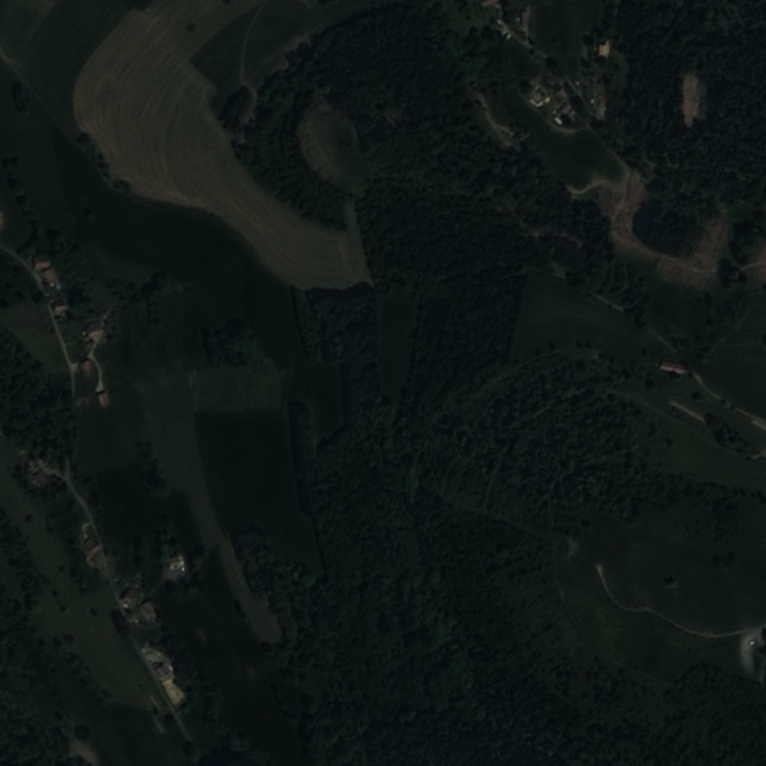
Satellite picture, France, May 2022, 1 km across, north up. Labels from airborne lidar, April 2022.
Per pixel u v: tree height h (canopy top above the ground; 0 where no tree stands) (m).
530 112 0
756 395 0
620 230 0
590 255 24
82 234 0
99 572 10
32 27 0
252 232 0
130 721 0
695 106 0
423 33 15
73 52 0
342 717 22
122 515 0
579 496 16
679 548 0
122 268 0
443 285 12
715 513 8
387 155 9
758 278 0
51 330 0
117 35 0
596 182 0
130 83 0
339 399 0
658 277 0
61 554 0
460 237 13
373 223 11
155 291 21
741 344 0
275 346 0
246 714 0
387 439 14
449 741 29
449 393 12
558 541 0
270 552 18
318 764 19
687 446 0
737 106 23
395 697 17
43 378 21
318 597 23
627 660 0
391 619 16
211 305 0
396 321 0
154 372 0
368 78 19
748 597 0
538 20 0
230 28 0
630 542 0
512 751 21
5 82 0
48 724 0
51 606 0
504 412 16
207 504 0
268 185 17
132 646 0
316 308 21
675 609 0
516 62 0
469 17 10
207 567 0
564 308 0
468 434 0
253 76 0
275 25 0
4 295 0
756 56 27
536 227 9
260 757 23
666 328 0
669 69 23
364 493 14
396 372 0
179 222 0
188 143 0
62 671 0
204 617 0
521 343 0
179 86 0
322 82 19
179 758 0
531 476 18
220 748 0
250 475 0
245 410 0
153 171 0
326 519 12
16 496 0
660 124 24
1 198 0
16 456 0
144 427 0
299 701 0
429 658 12
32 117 0
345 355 25
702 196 14
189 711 0
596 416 13
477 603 7
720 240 0
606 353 0
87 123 0
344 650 14
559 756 20
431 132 15
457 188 7
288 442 0
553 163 0
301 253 0
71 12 0
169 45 0
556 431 10
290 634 20
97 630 0
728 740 9
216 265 0
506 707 18
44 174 0
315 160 0
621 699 7
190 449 0
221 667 0
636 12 16
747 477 0
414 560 16
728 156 23
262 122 19
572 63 0
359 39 17
